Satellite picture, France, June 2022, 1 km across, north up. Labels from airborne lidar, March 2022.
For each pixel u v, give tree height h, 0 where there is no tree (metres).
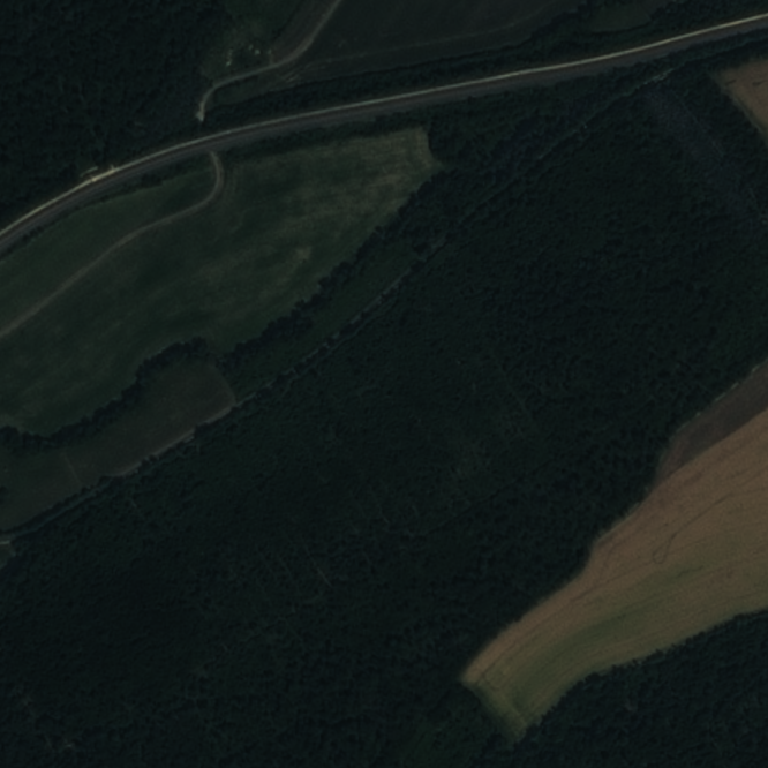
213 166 0
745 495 0
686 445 0
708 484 0
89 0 19
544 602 0
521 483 20
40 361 0
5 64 21
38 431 0
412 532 15
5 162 26
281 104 9
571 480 24
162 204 0
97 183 0
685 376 17
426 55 0
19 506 0
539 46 15
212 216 0
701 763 15
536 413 16
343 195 0
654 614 0
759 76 0
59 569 13
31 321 0
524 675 0
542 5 0
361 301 0
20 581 14
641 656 0
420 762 0
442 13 0
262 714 15
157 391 0
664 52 0
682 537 0
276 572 8
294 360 0
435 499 6
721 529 0
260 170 0
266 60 0
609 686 17
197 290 0
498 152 9
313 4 0
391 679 16
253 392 0
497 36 0
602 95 20
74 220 0
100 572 10
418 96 0
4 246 0
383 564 18
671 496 0
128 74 12
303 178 0
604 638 0
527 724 0
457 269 9
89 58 9
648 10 0
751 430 0
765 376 0
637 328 15
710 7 18
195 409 0
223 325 0
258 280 0
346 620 16
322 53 0
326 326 0
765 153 14
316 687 16
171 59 13
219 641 8
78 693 12
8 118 15
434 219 7
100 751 22
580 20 19
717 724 13
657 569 0
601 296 18
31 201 18
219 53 0
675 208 11
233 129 0
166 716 15
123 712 13
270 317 0
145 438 0
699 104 14
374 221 0
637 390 16
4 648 7
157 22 14
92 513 11
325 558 15
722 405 0
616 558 0
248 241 0
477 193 19
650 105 16
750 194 17
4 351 0
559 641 0
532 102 17
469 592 19
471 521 16
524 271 15
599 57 0
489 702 0
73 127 19
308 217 0
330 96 7
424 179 0
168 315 0
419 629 16
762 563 0
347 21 0
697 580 0
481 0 0
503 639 0
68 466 0
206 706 17
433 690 16
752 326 9
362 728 21
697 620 0
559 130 20
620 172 7
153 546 17
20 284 0
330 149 0
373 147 0
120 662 7
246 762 15
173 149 0
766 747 18
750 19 0
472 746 0
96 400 0
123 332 0
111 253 0
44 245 0
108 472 0
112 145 21
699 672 13
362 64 0
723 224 18
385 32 0
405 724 21
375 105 0
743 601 0
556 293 15
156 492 13
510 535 17
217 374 0
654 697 15
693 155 15
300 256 0
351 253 0
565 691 0
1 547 0
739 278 6
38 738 19
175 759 17
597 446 14
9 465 0
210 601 12
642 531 0
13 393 0
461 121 16
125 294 0
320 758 20
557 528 16
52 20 12
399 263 0
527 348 14
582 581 0
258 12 0
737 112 17
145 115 17
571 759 18
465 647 15
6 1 16
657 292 15
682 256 15
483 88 0
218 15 21
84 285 0
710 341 21
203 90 16
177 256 0
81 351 0
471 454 0
